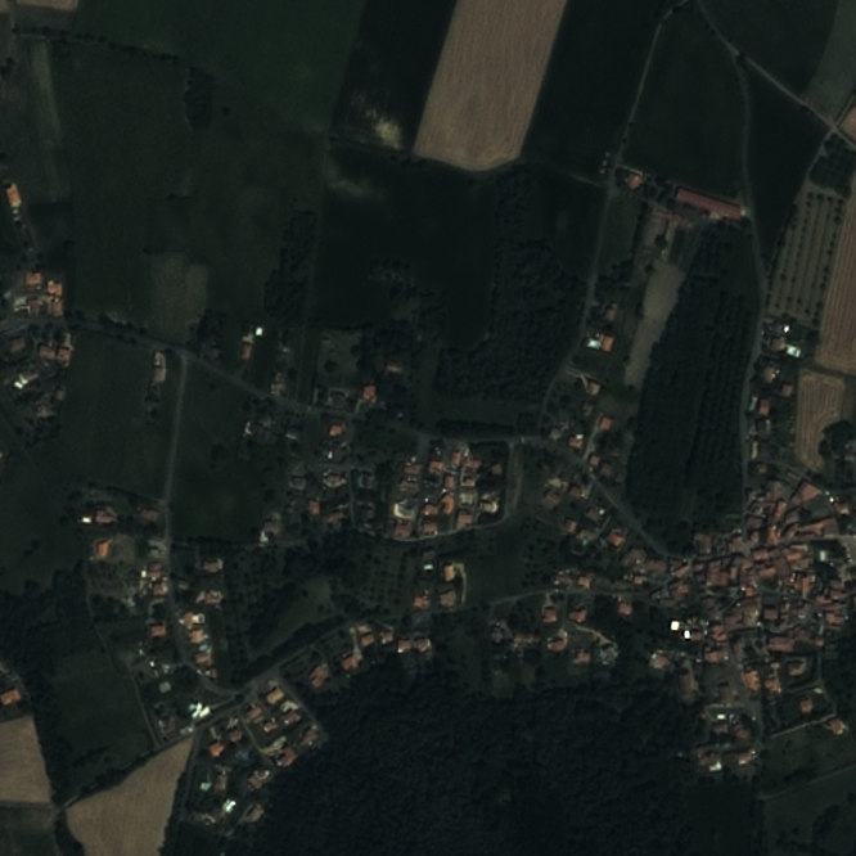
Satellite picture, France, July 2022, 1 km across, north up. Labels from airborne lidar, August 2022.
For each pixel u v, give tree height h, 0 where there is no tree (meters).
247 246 0
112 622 11
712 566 0
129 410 0
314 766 21
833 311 0
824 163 11
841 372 0
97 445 0
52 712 20
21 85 0
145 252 6
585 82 0
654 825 23
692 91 0
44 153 0
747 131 0
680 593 0
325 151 0
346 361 0
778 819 0
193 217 0
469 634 9
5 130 0
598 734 20
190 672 13
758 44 0
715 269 9
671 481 15
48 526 0
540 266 6
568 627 0
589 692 15
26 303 0
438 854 14
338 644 0
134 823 0
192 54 0
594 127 0
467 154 0
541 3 0
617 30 0
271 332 0
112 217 0
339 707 16
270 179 0
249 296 0
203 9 0
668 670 0
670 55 0
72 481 0
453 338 0
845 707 6
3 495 0
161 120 0
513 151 0
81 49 0
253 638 13
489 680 9
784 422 0
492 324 6
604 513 7
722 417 9
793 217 7
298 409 0
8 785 0
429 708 20
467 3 0
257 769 6
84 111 0
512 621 12
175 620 0
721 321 12
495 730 17
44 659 16
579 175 0
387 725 17
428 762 23
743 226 8
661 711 18
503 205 10
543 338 15
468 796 16
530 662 13
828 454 13
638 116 0
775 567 0
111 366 0
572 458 0
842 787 0
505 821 25
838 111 0
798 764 0
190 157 0
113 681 0
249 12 0
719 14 0
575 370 0
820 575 9
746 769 0
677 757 16
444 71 0
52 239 0
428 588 0
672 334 13
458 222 0
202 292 0
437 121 0
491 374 9
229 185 0
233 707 0
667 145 0
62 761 17
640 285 0
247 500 0
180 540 7
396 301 12
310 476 6
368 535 10
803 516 10
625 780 23
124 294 0
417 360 7
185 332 0
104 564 8
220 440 0
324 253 0
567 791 8
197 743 0
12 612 15
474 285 0
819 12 0
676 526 10
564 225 0
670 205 9
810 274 0
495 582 0
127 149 0
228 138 0
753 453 0
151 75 0
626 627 13
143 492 0
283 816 11
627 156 0
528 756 6
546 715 17
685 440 12
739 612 0
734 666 0
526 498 0
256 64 0
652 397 17
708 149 0
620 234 0
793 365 11
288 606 10
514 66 0
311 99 0
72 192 0
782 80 0
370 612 10
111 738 0
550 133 0
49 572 0
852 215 0
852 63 0
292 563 17
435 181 0
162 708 6
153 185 0
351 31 0
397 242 0
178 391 0
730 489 10
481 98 0
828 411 0
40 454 0
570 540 8
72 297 0
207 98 6
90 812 0
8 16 0
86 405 0
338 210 0
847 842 0
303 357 0
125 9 0
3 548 0
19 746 0
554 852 15
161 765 0
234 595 8
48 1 0
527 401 12
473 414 0
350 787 15
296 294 14
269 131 0
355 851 11
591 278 0
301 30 0
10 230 0
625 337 0
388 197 0
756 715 0
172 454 0
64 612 12
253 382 0
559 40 0
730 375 9
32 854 0
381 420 14
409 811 21
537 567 7
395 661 10
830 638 6
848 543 0
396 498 0
